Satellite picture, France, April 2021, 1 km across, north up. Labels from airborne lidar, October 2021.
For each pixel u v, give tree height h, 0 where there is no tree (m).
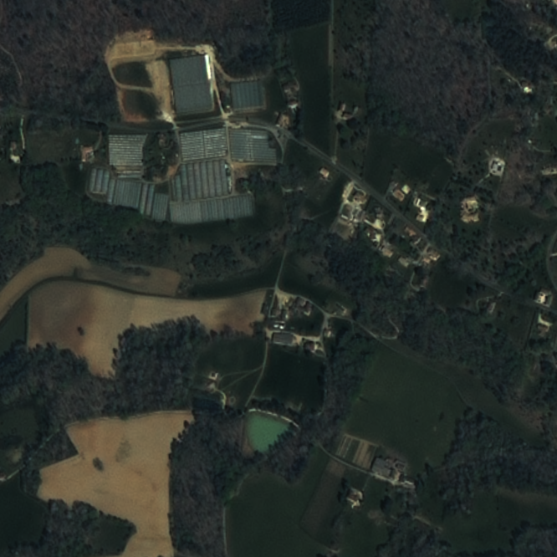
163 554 0
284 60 12
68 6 15
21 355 17
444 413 0
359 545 0
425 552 21
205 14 14
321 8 9
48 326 0
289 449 14
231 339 16
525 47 28
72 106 7
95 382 22
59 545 20
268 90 0
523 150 11
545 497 8
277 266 0
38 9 12
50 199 23
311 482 0
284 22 9
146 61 0
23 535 0
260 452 0
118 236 18
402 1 19
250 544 0
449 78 15
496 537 0
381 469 0
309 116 0
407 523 19
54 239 17
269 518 0
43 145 0
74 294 0
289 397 0
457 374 0
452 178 7
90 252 11
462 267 19
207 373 0
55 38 17
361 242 16
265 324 9
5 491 0
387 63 18
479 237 10
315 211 0
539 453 17
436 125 16
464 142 12
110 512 0
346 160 0
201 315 0
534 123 10
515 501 0
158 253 6
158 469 0
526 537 19
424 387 0
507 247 10
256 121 0
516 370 26
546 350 19
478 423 10
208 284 0
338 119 8
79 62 17
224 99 6
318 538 0
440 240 22
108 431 0
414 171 0
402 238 9
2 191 0
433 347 17
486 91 11
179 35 17
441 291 0
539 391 9
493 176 7
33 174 20
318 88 0
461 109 8
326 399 19
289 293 0
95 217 18
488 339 17
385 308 13
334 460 0
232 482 17
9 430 0
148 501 0
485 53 16
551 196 19
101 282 0
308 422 20
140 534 0
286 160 0
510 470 18
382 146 0
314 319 0
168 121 0
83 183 0
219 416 24
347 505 14
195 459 21
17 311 0
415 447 0
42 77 10
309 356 15
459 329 25
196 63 0
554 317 6
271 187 11
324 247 19
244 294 0
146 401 14
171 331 18
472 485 21
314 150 0
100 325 0
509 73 18
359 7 6
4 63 6
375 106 17
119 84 0
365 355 17
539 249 13
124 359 13
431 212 16
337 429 19
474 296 21
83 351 0
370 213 0
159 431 0
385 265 14
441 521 0
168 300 0
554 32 13
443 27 20
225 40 19
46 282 0
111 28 13
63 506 17
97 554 9
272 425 0
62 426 18
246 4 6
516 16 17
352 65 10
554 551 20
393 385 0
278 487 0
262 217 0
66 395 21
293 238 16
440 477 0
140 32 0
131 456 0
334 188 0
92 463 0
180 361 20
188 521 8
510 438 22
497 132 0
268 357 0
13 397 25
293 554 0
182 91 0
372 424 0
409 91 22
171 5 13
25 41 17
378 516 0
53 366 18
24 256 13
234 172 0
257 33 18
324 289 0
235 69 10
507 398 23
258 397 0
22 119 0
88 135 0
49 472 0
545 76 12
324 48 0
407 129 12
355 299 9
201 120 0
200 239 0
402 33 12
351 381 21
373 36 14
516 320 14
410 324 21
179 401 11
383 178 0
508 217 0
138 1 16
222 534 13
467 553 0
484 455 19
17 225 14
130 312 0
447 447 0
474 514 0
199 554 21
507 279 16
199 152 0
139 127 0
